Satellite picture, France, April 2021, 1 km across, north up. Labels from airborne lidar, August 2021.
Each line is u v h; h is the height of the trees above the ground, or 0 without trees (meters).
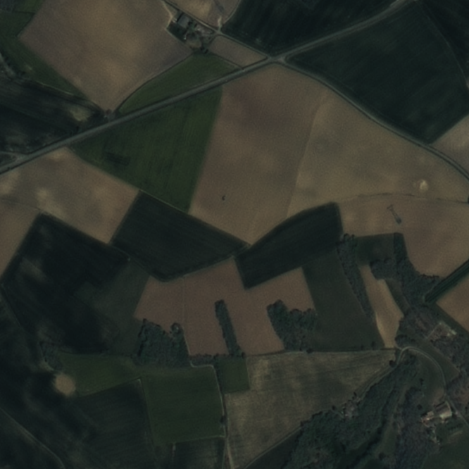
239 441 0
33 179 0
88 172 0
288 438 0
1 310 0
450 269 0
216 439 0
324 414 12
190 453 0
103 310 0
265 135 0
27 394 0
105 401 0
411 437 19
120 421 0
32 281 0
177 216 0
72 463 0
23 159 0
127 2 0
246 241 0
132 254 0
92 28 0
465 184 0
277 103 0
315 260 0
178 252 0
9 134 0
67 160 0
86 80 0
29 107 0
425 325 14
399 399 18
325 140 0
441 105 0
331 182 0
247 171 0
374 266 17
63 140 0
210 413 0
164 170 0
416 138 0
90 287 0
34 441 0
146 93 0
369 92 0
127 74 0
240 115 0
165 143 0
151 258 0
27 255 0
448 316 0
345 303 0
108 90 0
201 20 0
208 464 0
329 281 0
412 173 0
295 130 0
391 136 0
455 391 12
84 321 0
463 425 6
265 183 0
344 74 0
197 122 0
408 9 0
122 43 0
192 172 0
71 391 0
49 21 0
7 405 0
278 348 0
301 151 0
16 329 0
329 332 0
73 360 0
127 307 0
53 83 0
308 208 0
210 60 0
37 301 0
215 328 0
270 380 0
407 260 8
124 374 0
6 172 0
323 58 0
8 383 0
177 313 0
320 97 0
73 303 0
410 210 0
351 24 0
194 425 0
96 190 0
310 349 13
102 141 0
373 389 11
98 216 0
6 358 0
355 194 0
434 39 0
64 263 0
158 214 0
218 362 11
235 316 0
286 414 0
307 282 0
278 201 0
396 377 20
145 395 0
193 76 0
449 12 0
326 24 0
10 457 0
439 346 14
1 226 0
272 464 0
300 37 0
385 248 0
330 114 0
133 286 0
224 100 0
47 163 0
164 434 0
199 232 0
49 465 0
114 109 0
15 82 0
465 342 11
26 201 0
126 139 0
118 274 0
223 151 0
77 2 0
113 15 0
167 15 0
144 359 12
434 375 0
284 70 0
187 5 0
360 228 0
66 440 0
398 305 0
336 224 0
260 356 0
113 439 0
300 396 0
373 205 0
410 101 0
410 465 16
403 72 0
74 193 0
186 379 0
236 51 0
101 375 0
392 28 0
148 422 0
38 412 0
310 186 0
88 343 0
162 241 0
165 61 0
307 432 16
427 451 16
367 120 0
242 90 0
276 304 8
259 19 0
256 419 0
